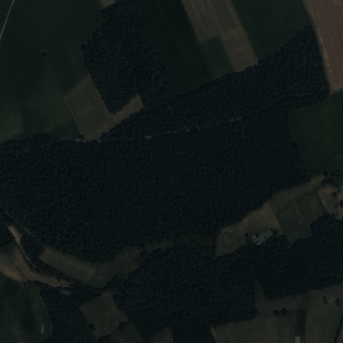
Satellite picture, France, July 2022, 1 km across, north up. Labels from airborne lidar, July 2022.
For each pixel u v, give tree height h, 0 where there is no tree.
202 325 25
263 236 0
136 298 27
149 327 23
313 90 15
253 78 25
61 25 0
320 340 0
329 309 0
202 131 22
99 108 0
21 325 0
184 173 21
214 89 18
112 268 0
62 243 24
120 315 0
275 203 0
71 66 0
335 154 0
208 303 26
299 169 25
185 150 20
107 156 16
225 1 0
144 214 26
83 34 0
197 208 20
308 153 0
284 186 26
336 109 0
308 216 0
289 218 0
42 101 0
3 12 0
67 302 25
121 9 24
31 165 31
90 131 0
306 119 0
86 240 29
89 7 0
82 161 22
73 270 0
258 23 0
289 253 23
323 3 0
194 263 27
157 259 21
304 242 23
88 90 0
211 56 0
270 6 0
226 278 27
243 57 0
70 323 31
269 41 0
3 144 6
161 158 25
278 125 26
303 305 0
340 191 10
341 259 24
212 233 19
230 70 0
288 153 18
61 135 0
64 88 0
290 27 0
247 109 22
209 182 25
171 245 0
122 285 17
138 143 27
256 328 0
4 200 22
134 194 26
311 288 22
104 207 22
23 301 0
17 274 0
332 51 0
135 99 0
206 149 25
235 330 0
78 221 23
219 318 27
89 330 24
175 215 22
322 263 22
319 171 0
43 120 0
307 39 12
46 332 0
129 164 23
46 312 0
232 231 0
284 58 27
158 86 17
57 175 35
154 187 26
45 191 29
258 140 24
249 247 10
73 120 0
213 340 7
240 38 0
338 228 22
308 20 0
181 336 29
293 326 0
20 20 0
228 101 32
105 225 21
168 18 0
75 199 26
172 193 27
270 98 24
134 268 0
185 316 24
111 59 24
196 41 0
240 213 22
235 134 24
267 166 24
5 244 12
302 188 0
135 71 21
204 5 0
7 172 22
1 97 0
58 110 0
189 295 22
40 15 0
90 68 21
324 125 0
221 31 0
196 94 21
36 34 0
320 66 12
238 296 28
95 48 20
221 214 24
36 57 0
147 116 22
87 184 26
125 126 17
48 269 16
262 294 0
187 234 27
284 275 30
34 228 24
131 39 25
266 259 28
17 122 0
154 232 21
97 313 0
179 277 23
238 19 0
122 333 0
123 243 24
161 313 15
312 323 0
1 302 0
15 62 0
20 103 0
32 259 8
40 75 0
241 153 19
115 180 24
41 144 22
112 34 23
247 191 24
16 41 0
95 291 9
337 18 0
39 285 20
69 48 0
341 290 0
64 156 26
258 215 0
